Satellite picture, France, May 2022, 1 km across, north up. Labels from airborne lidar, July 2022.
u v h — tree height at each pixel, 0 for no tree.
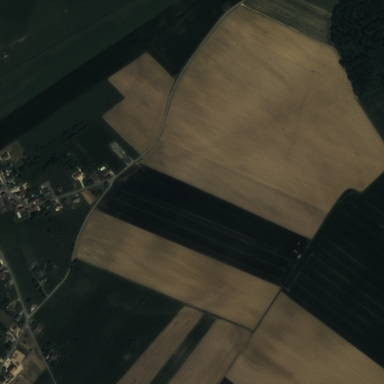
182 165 0
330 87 0
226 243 0
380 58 26
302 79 0
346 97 0
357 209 0
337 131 0
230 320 0
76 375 0
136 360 0
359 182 0
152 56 0
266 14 0
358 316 0
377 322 0
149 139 0
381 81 19
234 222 0
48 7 0
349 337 0
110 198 0
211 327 0
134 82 0
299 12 0
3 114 0
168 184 0
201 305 0
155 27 0
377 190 0
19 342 0
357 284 0
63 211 0
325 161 0
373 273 0
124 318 0
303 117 0
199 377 0
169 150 0
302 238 0
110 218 0
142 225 0
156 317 0
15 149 0
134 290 0
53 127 0
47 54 0
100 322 0
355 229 0
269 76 0
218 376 0
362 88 24
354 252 0
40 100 0
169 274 0
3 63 0
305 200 0
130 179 0
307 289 0
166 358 0
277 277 0
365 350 0
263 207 0
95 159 0
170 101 0
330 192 0
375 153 0
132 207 0
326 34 0
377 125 0
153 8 0
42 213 6
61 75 0
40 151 0
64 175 0
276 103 0
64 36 0
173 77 0
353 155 0
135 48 0
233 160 0
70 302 0
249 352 0
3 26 0
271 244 0
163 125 0
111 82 0
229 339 0
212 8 0
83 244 0
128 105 0
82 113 0
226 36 0
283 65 0
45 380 0
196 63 0
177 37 0
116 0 0
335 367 0
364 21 33
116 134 0
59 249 0
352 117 0
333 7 0
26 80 0
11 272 0
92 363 0
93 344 0
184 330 0
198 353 0
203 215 0
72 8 0
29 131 0
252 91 0
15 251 0
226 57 0
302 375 0
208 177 0
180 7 0
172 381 0
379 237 0
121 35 0
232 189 0
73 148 0
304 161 0
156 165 0
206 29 0
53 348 8
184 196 0
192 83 0
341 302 0
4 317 0
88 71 0
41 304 0
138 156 0
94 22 0
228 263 0
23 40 0
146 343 0
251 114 0
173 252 0
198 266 0
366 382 0
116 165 0
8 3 0
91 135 0
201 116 0
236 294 0
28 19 0
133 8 0
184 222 0
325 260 0
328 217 0
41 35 0
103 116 0
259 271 0
